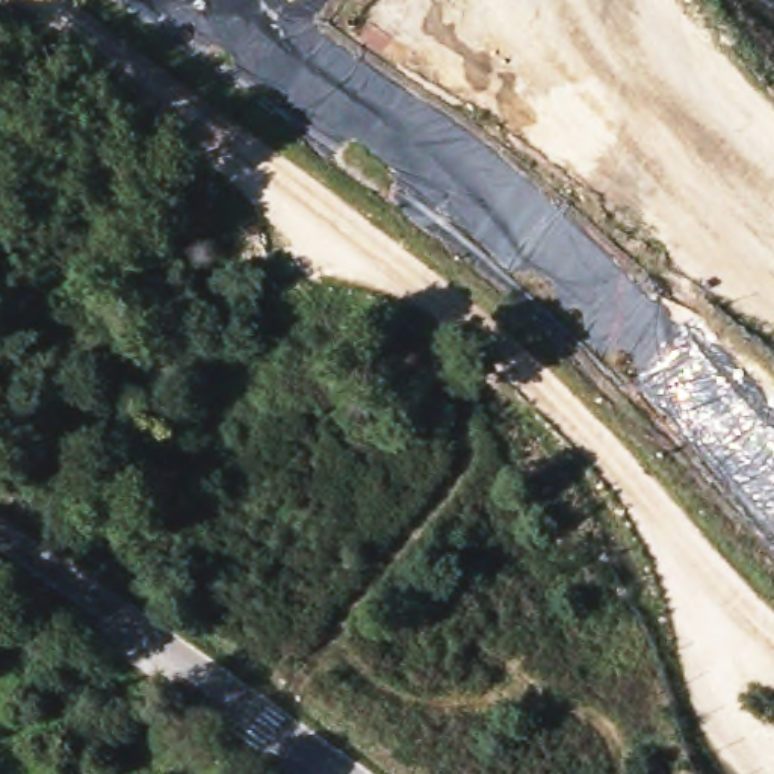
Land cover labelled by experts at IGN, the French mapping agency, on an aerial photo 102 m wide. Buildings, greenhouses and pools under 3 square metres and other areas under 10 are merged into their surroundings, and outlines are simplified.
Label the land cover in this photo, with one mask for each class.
<instances>
[{"label":"pervious surface","instance_id":"1","mask_svg":"<svg viewBox=\"0 0 774 774\"><path fill-rule=\"evenodd\" d=\"M24 24L33 30V39H45V45L51 48L57 42L73 39H100L91 54L121 60L124 73L136 76L142 97L151 100L163 118L187 124L194 133L206 139L209 160L218 172L215 190L203 200L197 224L190 230L194 263H206L209 251L221 260L236 257L242 251L245 260L263 257L257 263L260 275H278V287L284 293L311 272L314 281L342 278L384 290L372 305L378 308V314H393L402 305L399 296H411L423 311H429L441 324L450 320L463 336L475 339V348L484 357V369L490 372L487 384L499 399H511L517 408L535 405V420L550 432L559 450L577 444L590 450L596 460L602 472L611 478V484L620 490L623 502L629 505V514L638 523V532L656 556L671 602L674 626L683 677L668 689L671 720L677 738L689 747L692 774H774V723H762L750 711H744L741 692L750 689V683L774 686V611L704 541V535L683 514V508L665 493V487L638 466V460L614 438V432L602 420L590 414V408L556 378L553 369L577 351L584 339L605 354H632L638 366L641 393L656 408V426L668 429L677 444H692L686 454H677V463L692 466V478L698 481L701 493L723 508L726 517L735 520V532H750L762 541V547H768L762 571L774 565V0H0V27ZM305 133L314 151L320 157L336 160V166L348 172L354 181L375 190L387 203H408V221L417 224L426 236L438 239L444 248H450L490 287L505 290L508 302L499 305L496 314L487 308H478L472 314V296L466 287H447L444 275L423 266L411 251H405L402 242L372 227L324 181L281 157ZM348 142H360L378 160L387 163L390 187L366 175L354 160L345 157ZM505 683L493 686L484 695L450 692L441 698V711L484 714L499 701L520 698L526 689L541 692V677L529 674L520 659H511L505 665ZM574 717L593 723L608 738L614 756L620 753L629 759L632 747L611 717L590 704H577Z\"/></svg>","mask_w":774,"mask_h":774},{"label":"brushwood","instance_id":"2","mask_svg":"<svg viewBox=\"0 0 774 774\"><path fill-rule=\"evenodd\" d=\"M184 417H166L160 411L133 414V423L139 429L130 435L127 457L133 460V469L142 478V493L154 499L148 523L154 532H178L181 547L187 550L190 590L175 596L184 620L181 635L194 644L200 635L218 632L233 638L236 650L251 653V659L272 674L284 668H305L314 692L327 704H342V714L348 720H357L360 729L372 732L378 744L390 747L396 762L408 768H423L426 774H617L614 756L608 738L593 723L574 717L577 704H590L596 692V677L590 668L602 656V641L599 632L590 629L587 617L593 611H602L605 605L623 608L632 620L641 623L665 671L668 689L683 677L674 626H662L659 614L647 605L644 584L629 565L623 544H617L611 535H584L574 529L581 517L565 502L562 490L581 481L587 466L596 460L590 450L577 444L559 450L556 457L538 460L535 472L523 478L508 475L502 469L490 487V508L472 520L469 532L457 529L460 517L454 514L438 520L435 544L426 553V562L420 568H411V587H393L375 602V617L381 620L378 638L351 632V644L372 659L378 671V680L369 683L351 665H339L324 674L314 665L317 656L311 653V647L317 644V632L327 620L330 605L342 602V596L351 590L357 577L360 547L369 538L393 535L399 523L423 502V496L441 478L447 466L444 444L426 438L414 460H399L396 454H384L378 447L351 444L336 420H317L314 414L287 408L281 417H266L263 426H248V420H242L236 429L239 441L227 450L221 441V423L227 408H233L251 387L248 369L230 360H197V366L184 375ZM511 659H520L529 674L541 677V692L526 689L520 698L499 701L484 714L441 711V698L450 692L484 695L493 686L505 683V665ZM21 626H27L33 635L42 632L51 644H60V668H76L79 674H85L97 656L88 638L73 626V614L57 611L48 596H36L33 590L24 596L18 593ZM36 707L42 720H54L67 711V704L54 689H48ZM79 735H85L82 756L115 774H133L151 765L148 726L133 714V698H118L112 704H94V714L79 729ZM647 774H674V750L653 747L647 753ZM224 774H278L266 765V759L254 753L230 750L224 756Z\"/></svg>","mask_w":774,"mask_h":774},{"label":"coniferous trees","instance_id":"3","mask_svg":"<svg viewBox=\"0 0 774 774\"><path fill-rule=\"evenodd\" d=\"M100 39H73L57 42L51 48L45 45V39H33V30L24 24L0 27V281L6 287L30 281L48 299L51 317L63 327H73L76 339L85 348H97L112 345L130 363L145 366L151 351H163L172 360V366L184 375L197 366V360H230L248 369L251 387L233 408H227L221 423V441L227 450L239 441L236 429L242 420H248V426H263L266 417H281L287 408L314 414L317 420H336L351 444L378 447L384 454H396L399 460H414L426 438L411 432V420L405 408L396 405V393L384 381V375H369L372 327L366 320V311L372 305L384 290L342 278L314 281L311 272L284 293L278 287V275H260L257 263L263 257L245 260L242 251L236 257L221 260L209 251L206 263H194L190 230L197 224L203 200L215 190L218 172L209 160L206 139L194 133L187 124L163 118L151 100L142 97L136 76L124 73L121 60L91 54ZM432 351L441 363L447 393L472 399L478 396V387L487 384L490 372L484 369V357L475 348V339L463 336L450 320L441 324L435 330ZM36 342V333L30 330L12 333L0 342V502H21L42 517L45 550H85L94 538H106L115 556L130 568L133 590L145 599L148 623L163 629L169 638L181 635L184 620L175 596L190 590L187 550L181 547L178 532H154L148 523L154 499L142 493V478L133 469V460L127 457L130 435L139 429L133 423V414H121L118 402L100 393L91 411H82L63 399L57 375L67 357L63 351H45L27 357L24 348Z\"/></svg>","mask_w":774,"mask_h":774},{"label":"herbaceous vegetation","instance_id":"4","mask_svg":"<svg viewBox=\"0 0 774 774\"><path fill-rule=\"evenodd\" d=\"M281 157L324 181L372 227L402 242L405 251H411L423 266L444 275L447 287H466L472 296V314L478 308H487L496 314L499 305L508 302L505 290L490 287L450 248H444L438 239L426 236L417 224L408 221V203H387L375 190L354 181L348 172L336 166V160L320 157L314 151L305 133ZM345 157L354 160L366 175L390 187L387 163L378 160L360 142H348ZM30 330L36 333V342L24 348L27 357L45 351H63L67 357L76 339L73 327H63L51 317L48 299L30 281L6 287L0 281V342L12 333ZM402 305L393 314H378V308L372 305L366 311V320L372 327L369 375H384V381L396 393V405L405 408L411 420V432L426 438L444 444L447 466L441 478L423 496V502L399 523L393 535L369 538L360 547L357 577L351 590L342 596V602L330 605L327 620L317 632V644L311 647V653L317 656L314 665L324 674L339 665H351L369 683L378 680V671L372 659L351 644V632L378 638L381 620L375 617V602L393 587H411V568H420L426 562V553L435 544L438 520L454 514L460 517L457 529L469 532L472 520L490 508V487L502 469L508 475L523 478L535 472L538 460L556 457L559 450L550 432L535 420V405L517 408L511 399H499L487 384L478 387V396L472 399L447 393L441 363L432 351L435 330L441 324L429 311H423L411 296H399ZM556 378L590 408V414L602 420L614 432V438L638 460V466L665 487V493L683 508V514L704 535V541L774 611V565L762 571L768 547H762V541L750 532H735V520L726 517L723 508L701 493L698 481L692 478V466L677 463V454H686L692 444H677L668 429L656 426V408L641 393L638 366L632 354H605L584 339L577 351L553 369ZM100 393L118 402L124 390L151 387L160 378L154 369L145 366L130 363L112 345L97 348ZM565 502L581 517L574 529L584 535H611L617 544H623L629 565L644 584L647 605L659 614L662 626H674L671 602L656 556L638 532V523L629 514V505L623 502L620 490L611 484V478L602 472L596 460L587 466L581 481L562 490ZM172 677L142 674L139 665L112 668L103 662V656H97L85 674H79L76 668H60V644H51L42 632L33 635L27 626H21L18 593L12 562H0V774H115L82 756L85 735H79V729L94 714V704H112L118 698H133V714L148 726L151 765L133 774H224V756L230 750L221 744V717L203 707L181 704L166 689ZM48 689H54L67 704V711L54 720H42L36 707ZM590 629L599 632L602 641V656L590 668L596 677V692L590 704L611 717L632 747L629 759L620 753L614 756L617 774H647V753L653 747L674 750V774H692L689 747L677 738L671 720L668 689L665 671L641 623L632 620L623 608L605 605L602 611H593L587 617ZM194 644L203 653H209V662L230 656L236 650L233 638L218 632L200 635ZM272 683L302 707L299 723H305L311 732L327 729L345 735L357 750V765L369 768L372 774H426L423 768H408L396 762L390 747L378 744L372 732L360 729L357 720H348L342 714V704H327L314 692L305 668H284L272 674Z\"/></svg>","mask_w":774,"mask_h":774},{"label":"impervious surface","instance_id":"5","mask_svg":"<svg viewBox=\"0 0 774 774\"><path fill-rule=\"evenodd\" d=\"M0 562H12L18 593L24 596L33 590L36 596H48L57 611L73 614V626L88 638L97 656H103V662L112 668L139 665L142 674L172 677L166 689L181 704L203 707L221 717V744L230 750L254 753L266 759V765L278 774H372L369 768L357 765V750L345 735L327 729L311 732L305 723H299L302 707L272 683V674L251 659V653L236 650L230 656L209 662V653H203L194 644L181 635L169 638L163 629L148 623L145 599L133 590L130 568L115 556L106 538H94L85 550H45L42 517L21 502H0Z\"/></svg>","mask_w":774,"mask_h":774},{"label":"deciduous trees","instance_id":"6","mask_svg":"<svg viewBox=\"0 0 774 774\"><path fill-rule=\"evenodd\" d=\"M97 348H85L76 339L67 357L57 375L63 399L82 411H91L100 393ZM145 366L154 369L160 378L151 387L124 390L118 402L121 414H133L160 411L166 417H184V375L172 366V360L163 351H151ZM744 711H750L762 723H774V686L750 683V689L741 692Z\"/></svg>","mask_w":774,"mask_h":774}]
</instances>
